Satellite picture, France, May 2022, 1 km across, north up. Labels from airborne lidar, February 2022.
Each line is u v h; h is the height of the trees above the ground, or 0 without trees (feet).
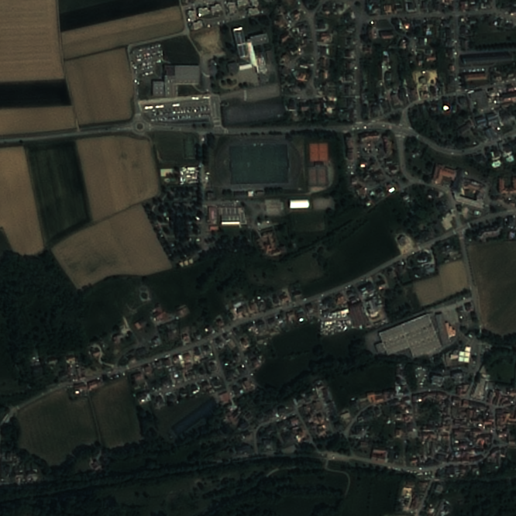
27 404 0
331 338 0
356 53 0
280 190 32
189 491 0
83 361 45
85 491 73
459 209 23
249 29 0
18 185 0
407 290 0
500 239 31
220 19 0
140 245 0
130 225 0
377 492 0
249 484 34
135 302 0
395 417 0
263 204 0
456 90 0
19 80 0
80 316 24
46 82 0
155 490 0
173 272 0
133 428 0
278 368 0
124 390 0
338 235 0
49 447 0
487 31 0
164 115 0
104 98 0
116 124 0
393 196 0
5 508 65
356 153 0
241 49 0
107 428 0
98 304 0
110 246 0
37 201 0
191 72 0
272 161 0
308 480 0
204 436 69
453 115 20
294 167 0
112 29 0
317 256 24
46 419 0
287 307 0
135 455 73
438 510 0
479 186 0
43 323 38
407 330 0
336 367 69
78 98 0
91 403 0
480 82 0
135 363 0
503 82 0
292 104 0
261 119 0
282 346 0
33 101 0
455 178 0
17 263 61
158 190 0
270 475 0
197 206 30
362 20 0
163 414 0
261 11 0
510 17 0
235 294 28
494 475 34
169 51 0
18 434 59
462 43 0
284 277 0
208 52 0
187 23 0
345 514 0
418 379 0
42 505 68
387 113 0
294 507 0
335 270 0
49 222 0
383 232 0
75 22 0
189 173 0
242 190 0
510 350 35
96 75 0
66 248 0
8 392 0
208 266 0
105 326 0
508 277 0
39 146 0
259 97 0
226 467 41
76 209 0
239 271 25
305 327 0
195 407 0
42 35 0
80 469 0
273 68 0
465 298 0
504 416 0
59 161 0
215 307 0
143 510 0
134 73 0
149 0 0
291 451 0
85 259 0
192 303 0
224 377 0
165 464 0
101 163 0
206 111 0
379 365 26
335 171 0
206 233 0
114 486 39
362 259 0
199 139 0
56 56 0
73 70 0
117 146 0
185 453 0
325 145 0
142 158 0
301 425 0
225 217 0
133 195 0
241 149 0
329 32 0
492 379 0
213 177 0
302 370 0
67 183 0
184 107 0
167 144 0
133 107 0
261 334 0
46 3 0
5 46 0
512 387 23
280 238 0
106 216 0
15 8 0
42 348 63
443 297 0
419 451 0
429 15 0
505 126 0
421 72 0
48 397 0
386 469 24
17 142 0
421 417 0
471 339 0
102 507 75
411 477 33
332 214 37
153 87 0
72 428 0
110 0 0
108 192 0
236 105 0
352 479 0
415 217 33
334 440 50
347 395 0
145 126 0
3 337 0
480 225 19
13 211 0
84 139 0
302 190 0
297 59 0
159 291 0
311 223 0
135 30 0
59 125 0
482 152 0
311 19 0
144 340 0
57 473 66
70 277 0
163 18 0
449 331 0
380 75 0
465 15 0
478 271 0
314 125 49
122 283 0
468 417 0
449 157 0
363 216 0
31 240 0
